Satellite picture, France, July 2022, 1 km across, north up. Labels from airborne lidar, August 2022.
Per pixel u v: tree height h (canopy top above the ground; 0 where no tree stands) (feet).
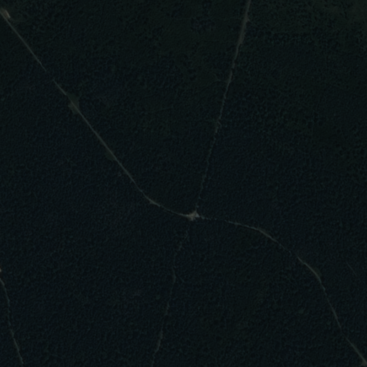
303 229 79
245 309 48
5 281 69
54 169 46
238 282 29
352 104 30
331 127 26
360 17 0
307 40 29
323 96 30
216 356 36
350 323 68
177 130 34
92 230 64
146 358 53
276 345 60
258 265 45
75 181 73
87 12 25
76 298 70
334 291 52
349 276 55
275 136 39
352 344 38
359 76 38
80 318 78
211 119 21
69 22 46
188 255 61
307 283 71
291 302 64
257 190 76
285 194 68
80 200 77
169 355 60
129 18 19
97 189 76
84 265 58
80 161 66
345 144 23
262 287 32
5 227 47
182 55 19
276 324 42
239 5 27
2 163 43
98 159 47
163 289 83
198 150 34
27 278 55
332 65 43
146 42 31
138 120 28
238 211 84
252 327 49
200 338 46
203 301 41
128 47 33
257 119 52
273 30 22
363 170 24
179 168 36
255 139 62
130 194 68
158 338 45
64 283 74
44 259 68
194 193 53
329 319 65
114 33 31
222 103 41
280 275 28
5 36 22
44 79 62
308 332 21
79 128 73
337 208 67
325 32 34
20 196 52
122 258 46
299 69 26
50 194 73
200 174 37
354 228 53
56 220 76
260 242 51
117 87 91
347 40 18
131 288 57
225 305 78
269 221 68
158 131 26
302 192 52
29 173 49
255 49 20
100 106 26
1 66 38
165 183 31
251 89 29
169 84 38
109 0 29
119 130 23
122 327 79
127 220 68
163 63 33
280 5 47
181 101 27
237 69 20
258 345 57
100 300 70
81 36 30
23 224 49
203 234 67
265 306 47
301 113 63
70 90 29
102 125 42
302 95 47
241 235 33
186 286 78
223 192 62
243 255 64
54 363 64
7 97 41
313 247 68
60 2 37
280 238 69
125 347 54
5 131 45
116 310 53
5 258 50
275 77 25
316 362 41
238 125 56
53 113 62
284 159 47
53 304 58
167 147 32
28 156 44
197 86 19
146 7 35
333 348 40
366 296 56
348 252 37
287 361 58
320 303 45
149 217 60
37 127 45
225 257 59
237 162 79
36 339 46
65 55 20
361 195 71
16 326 68
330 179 48
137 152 44
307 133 21
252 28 47
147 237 65
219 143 53
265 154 61
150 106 23
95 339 88
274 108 39
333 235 74
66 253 55
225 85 31
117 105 44
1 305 57
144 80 50
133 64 22
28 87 52
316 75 31
